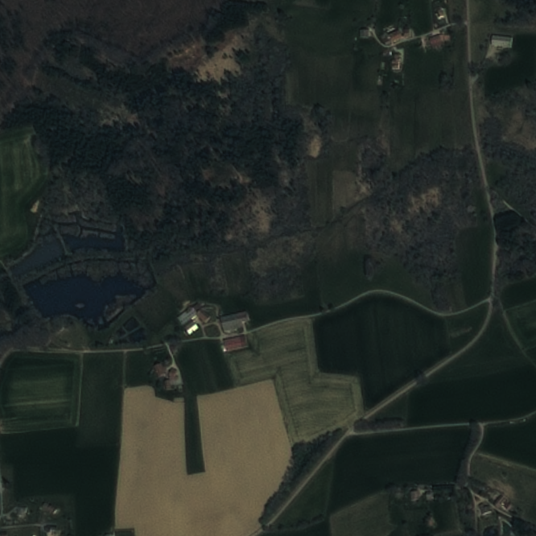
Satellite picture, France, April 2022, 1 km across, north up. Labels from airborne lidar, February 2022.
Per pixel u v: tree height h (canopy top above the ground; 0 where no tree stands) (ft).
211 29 83
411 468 0
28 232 0
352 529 0
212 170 99
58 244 0
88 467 0
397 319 0
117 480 0
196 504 0
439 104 0
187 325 0
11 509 0
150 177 94
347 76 0
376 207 21
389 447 0
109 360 0
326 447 53
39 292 0
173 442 0
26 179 0
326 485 0
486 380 0
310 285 0
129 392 0
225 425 0
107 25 24
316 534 0
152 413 0
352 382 0
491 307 0
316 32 0
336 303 0
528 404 0
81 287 0
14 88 62
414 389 0
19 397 0
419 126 0
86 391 0
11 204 0
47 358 0
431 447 0
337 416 0
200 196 89
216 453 0
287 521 0
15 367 0
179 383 0
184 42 81
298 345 0
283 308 0
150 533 0
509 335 0
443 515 0
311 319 0
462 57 0
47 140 72
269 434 0
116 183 71
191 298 0
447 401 0
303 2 0
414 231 48
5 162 0
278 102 52
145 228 50
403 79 0
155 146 103
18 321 49
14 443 0
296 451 51
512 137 0
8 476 0
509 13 0
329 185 0
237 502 0
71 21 45
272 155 52
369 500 0
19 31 62
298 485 53
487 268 0
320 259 0
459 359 0
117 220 31
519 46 0
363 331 0
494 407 0
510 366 0
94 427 0
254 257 17
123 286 0
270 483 0
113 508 0
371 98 0
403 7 32
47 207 49
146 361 0
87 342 0
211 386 0
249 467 0
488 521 0
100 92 38
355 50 23
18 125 65
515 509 0
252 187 26
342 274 0
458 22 64
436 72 0
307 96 0
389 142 0
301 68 0
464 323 0
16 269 0
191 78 47
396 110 0
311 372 0
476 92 0
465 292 0
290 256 0
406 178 47
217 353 0
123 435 0
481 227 0
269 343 0
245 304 0
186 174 80
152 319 0
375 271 39
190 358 0
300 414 0
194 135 96
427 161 52
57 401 0
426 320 0
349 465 0
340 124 0
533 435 0
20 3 58
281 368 0
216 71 0
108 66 27
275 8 0
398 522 0
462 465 51
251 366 0
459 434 0
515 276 54
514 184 30
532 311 0
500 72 0
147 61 73
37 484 0
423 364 0
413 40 0
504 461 0
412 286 0
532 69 0
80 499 0
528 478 0
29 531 0
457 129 0
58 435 0
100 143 57
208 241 60
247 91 40
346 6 0
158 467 0
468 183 39
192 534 0
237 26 65
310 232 0
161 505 0
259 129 35
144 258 26
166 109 109
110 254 63
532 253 35
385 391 0
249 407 0
